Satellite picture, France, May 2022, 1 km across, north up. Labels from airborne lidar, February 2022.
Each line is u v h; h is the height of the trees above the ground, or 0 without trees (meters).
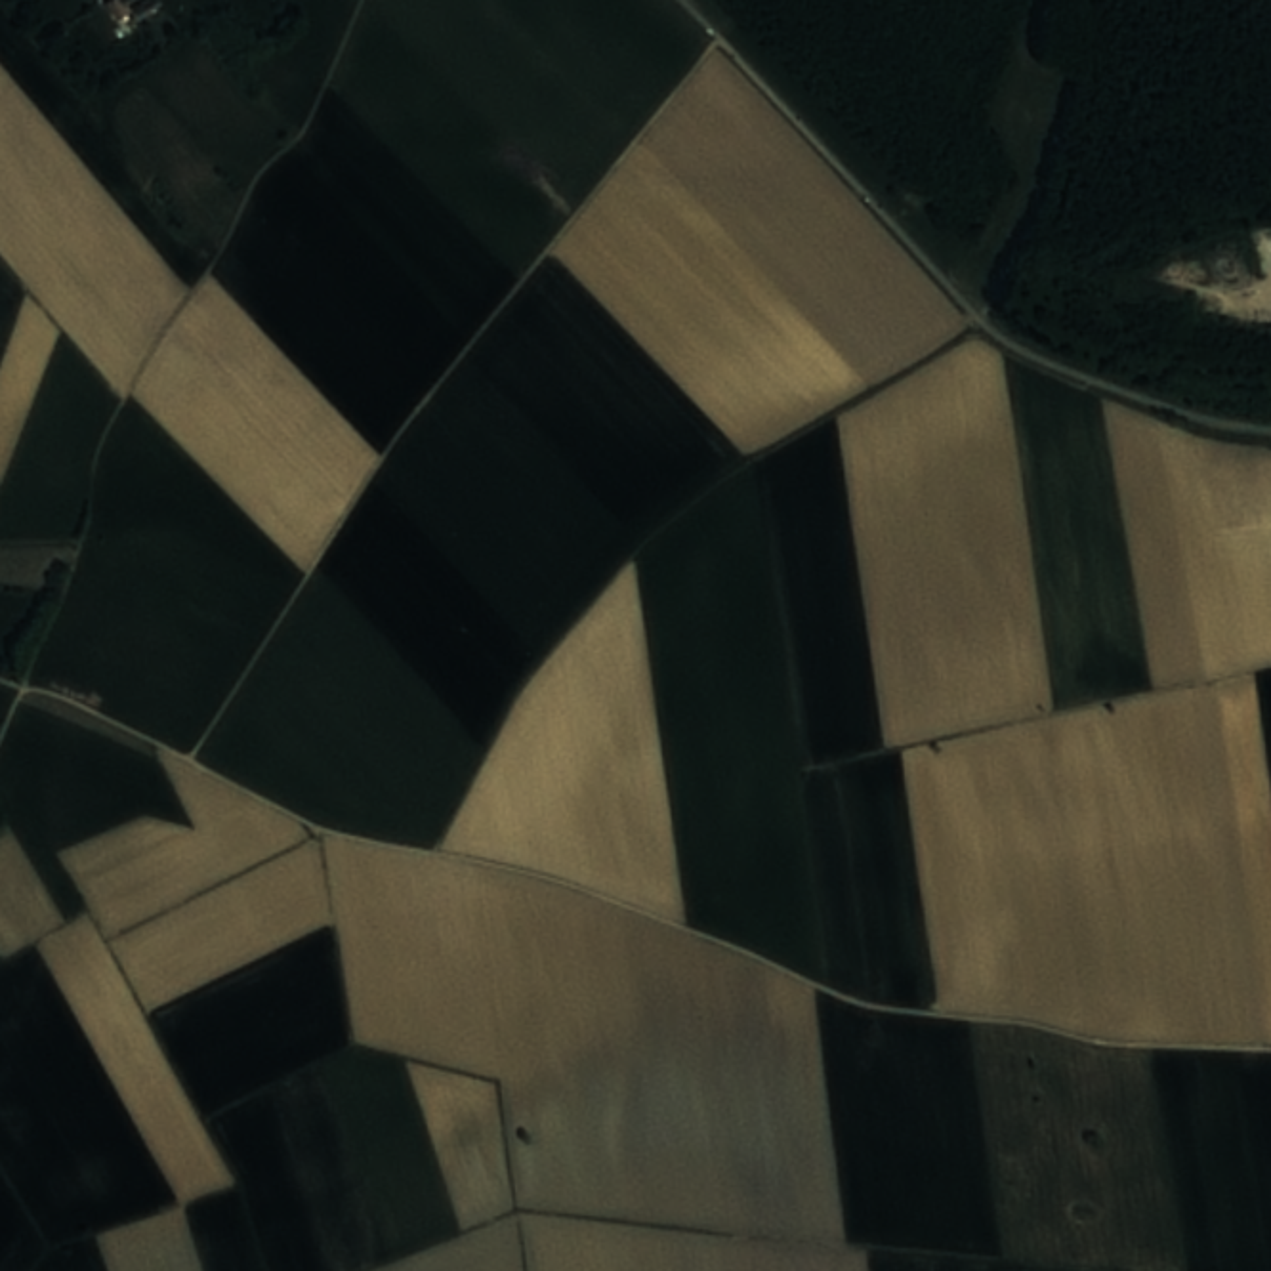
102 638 0
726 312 0
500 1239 0
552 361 0
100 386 0
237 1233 0
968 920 0
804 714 0
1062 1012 0
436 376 0
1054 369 0
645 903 0
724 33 0
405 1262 0
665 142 0
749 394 0
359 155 0
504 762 0
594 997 0
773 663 0
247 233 0
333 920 0
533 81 0
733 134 0
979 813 0
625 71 0
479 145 0
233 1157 0
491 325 0
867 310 0
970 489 0
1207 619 0
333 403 0
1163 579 0
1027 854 0
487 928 0
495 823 0
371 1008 0
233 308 0
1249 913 0
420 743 0
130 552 0
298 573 0
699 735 0
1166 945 0
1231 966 0
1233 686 0
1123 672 0
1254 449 0
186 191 0
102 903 0
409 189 0
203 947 0
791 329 0
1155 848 0
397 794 0
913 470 0
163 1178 0
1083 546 0
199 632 0
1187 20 22
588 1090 0
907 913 0
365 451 0
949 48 22
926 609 0
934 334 0
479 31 0
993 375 0
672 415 0
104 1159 0
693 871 0
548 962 0
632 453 0
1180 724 0
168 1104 0
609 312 0
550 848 0
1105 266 11
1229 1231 0
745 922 0
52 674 0
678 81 0
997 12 22
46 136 0
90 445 0
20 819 0
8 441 0
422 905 0
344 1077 0
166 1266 0
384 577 0
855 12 23
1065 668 0
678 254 0
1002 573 0
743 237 0
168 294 0
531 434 0
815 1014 0
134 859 0
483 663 0
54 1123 0
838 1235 0
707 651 0
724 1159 0
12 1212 0
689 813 0
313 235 0
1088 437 0
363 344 0
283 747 0
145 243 0
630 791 0
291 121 0
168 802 0
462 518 0
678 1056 0
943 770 0
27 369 0
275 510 0
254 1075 0
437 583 0
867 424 0
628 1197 0
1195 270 0
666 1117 0
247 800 0
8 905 0
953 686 0
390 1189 0
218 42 12
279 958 0
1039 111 0
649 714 0
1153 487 0
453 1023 0
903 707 0
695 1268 0
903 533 0
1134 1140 0
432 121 0
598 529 0
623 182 0
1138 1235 0
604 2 0
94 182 0
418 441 0
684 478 0
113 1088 0
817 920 0
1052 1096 0
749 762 0
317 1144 0
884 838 0
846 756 0
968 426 0
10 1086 0
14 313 0
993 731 0
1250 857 0
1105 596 0
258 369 0
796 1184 0
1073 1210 0
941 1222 0
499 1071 0
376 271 0
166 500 0
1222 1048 0
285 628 0
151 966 0
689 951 0
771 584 0
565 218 0
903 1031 0
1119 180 19
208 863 0
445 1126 0
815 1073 0
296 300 0
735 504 0
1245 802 0
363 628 0
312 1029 0
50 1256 0
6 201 0
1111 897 0
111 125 0
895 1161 0
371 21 0
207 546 0
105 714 0
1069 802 0
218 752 0
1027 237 17
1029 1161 0
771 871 0
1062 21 25
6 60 0
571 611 0
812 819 0
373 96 0
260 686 0
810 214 0
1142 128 20
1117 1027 0
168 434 0
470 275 0
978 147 20
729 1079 0
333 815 0
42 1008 0
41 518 0
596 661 0
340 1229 0
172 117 0
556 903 0
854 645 0
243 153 0
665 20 0
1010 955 0
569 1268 0
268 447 0
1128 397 0
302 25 16
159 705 0
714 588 0
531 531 0
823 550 0
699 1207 0
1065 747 0
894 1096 0
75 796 0
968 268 0
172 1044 0
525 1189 0
